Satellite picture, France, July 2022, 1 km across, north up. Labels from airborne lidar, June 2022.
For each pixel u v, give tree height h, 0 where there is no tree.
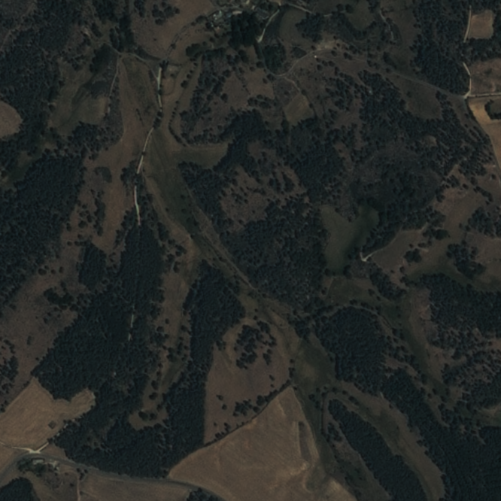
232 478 0
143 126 0
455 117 17
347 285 0
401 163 10
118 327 16
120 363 17
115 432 20
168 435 17
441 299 18
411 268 0
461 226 11
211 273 18
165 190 0
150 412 0
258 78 0
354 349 16
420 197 0
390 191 0
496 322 15
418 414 17
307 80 0
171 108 0
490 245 0
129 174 8
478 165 18
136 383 20
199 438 21
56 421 0
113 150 0
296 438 0
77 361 19
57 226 18
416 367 14
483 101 0
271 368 0
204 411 18
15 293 17
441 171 14
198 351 19
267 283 10
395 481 17
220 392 0
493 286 0
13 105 16
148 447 21
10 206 18
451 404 0
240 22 16
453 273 0
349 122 0
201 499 19
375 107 19
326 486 0
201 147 0
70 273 0
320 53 0
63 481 0
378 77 17
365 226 0
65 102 0
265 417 0
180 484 0
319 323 14
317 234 11
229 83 0
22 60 16
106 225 0
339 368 15
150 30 0
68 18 16
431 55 20
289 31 0
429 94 0
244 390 0
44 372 18
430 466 0
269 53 12
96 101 0
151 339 9
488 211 0
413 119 22
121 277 15
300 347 0
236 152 23
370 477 0
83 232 0
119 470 18
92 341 20
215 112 0
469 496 18
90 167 0
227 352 0
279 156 6
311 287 10
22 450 0
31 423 0
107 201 0
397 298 17
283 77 0
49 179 20
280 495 0
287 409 0
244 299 0
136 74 0
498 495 17
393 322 0
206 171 10
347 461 0
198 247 0
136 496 0
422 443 15
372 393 12
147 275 18
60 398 14
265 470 0
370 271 7
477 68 0
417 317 0
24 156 0
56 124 0
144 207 9
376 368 15
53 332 0
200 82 8
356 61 0
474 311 20
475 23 0
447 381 12
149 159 0
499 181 0
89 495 0
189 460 0
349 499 0
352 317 19
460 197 0
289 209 12
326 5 0
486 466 19
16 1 0
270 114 0
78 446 17
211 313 15
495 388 13
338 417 15
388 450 16
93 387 17
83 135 13
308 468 0
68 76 0
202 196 10
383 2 0
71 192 15
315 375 0
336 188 11
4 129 0
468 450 19
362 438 19
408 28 0
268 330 14
